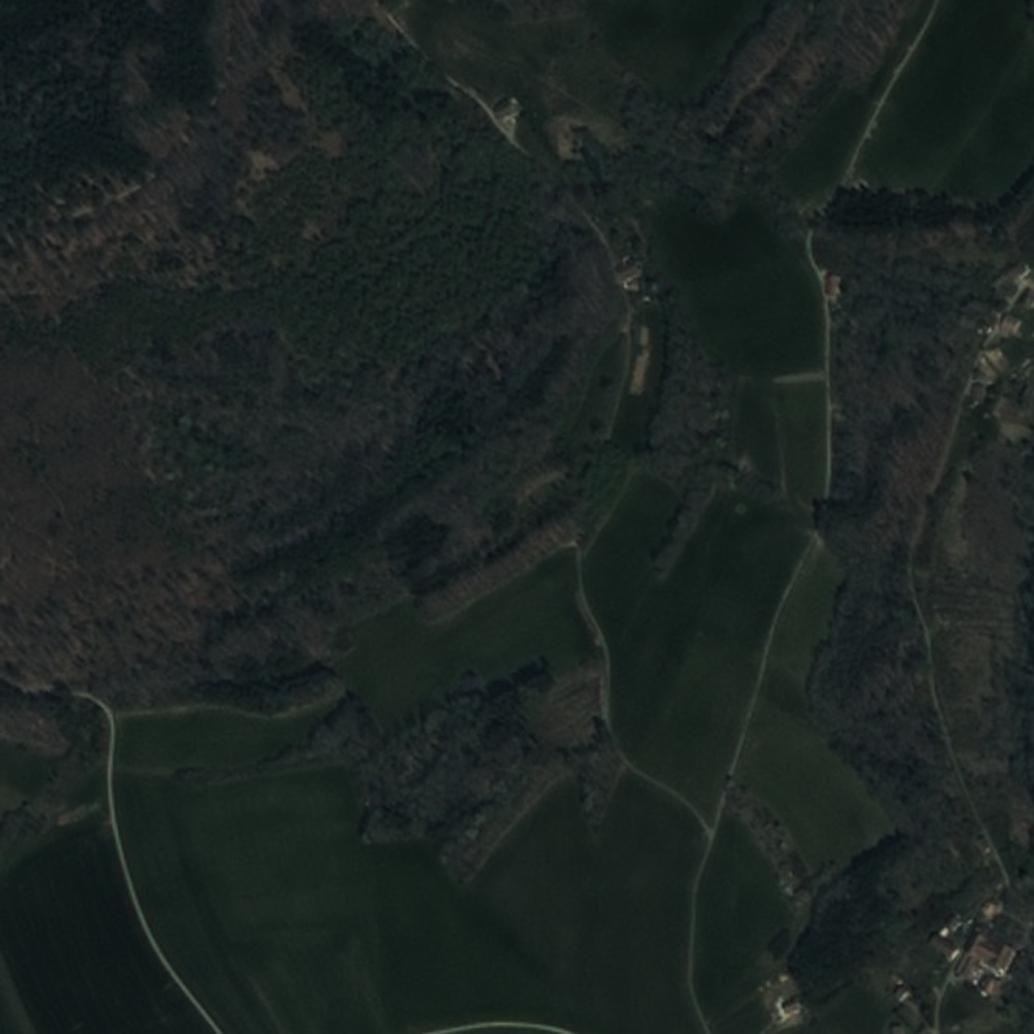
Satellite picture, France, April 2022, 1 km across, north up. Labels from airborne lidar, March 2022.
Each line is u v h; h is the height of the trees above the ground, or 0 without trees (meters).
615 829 0
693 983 0
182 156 24
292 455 24
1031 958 13
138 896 0
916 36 0
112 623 0
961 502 0
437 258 14
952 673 0
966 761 0
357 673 0
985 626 0
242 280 9
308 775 0
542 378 23
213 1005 0
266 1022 0
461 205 16
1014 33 0
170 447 7
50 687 20
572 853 0
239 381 20
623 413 0
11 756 0
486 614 0
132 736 0
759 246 0
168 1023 0
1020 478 16
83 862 0
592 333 28
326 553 25
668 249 0
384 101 22
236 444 18
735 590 0
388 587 28
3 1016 0
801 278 0
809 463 0
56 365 8
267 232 9
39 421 10
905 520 24
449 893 0
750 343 0
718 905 0
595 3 0
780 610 0
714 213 27
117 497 12
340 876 0
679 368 23
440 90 16
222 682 25
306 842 0
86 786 0
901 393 24
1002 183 0
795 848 0
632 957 0
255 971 0
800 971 23
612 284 29
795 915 0
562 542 23
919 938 18
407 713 0
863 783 13
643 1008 0
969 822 7
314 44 28
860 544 27
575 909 0
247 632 27
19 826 18
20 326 8
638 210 17
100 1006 0
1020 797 0
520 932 0
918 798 28
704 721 0
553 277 28
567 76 0
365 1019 0
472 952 0
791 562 0
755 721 0
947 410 27
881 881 25
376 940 0
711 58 0
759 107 7
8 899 0
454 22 0
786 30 27
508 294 19
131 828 0
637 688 0
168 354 15
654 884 0
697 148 28
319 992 0
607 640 0
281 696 23
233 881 0
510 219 16
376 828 21
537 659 0
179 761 0
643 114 23
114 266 8
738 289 0
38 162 19
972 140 0
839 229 12
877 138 0
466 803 26
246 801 0
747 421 0
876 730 26
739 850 0
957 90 0
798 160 0
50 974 0
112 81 17
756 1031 0
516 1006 0
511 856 0
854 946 24
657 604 0
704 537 0
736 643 0
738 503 0
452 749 27
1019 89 0
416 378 25
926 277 16
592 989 0
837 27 28
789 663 0
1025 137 0
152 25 35
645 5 0
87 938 0
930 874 31
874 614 26
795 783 0
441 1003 0
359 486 26
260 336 25
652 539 0
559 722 0
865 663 20
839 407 0
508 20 23
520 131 0
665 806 0
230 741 0
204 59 31
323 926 0
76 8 10
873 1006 0
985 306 14
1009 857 0
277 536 28
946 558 0
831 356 0
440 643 0
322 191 8
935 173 0
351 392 17
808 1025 0
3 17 9
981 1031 0
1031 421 0
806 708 0
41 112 14
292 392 21
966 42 0
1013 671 18
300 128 27
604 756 18
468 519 32
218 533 22
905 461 30
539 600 0
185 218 24
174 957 0
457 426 16
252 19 29
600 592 0
